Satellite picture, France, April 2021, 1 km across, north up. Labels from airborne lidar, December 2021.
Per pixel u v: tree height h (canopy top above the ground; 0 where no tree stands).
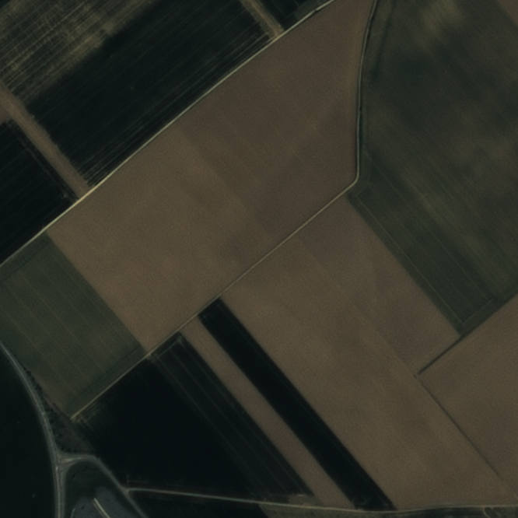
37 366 0
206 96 0
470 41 0
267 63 0
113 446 0
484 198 0
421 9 0
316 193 0
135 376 0
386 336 0
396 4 0
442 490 0
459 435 0
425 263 0
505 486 0
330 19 0
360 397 0
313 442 0
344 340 0
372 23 10
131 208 0
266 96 0
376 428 0
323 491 0
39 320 0
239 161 0
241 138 0
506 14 0
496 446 0
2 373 0
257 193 0
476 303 0
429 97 0
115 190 0
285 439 0
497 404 0
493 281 0
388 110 0
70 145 0
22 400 0
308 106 0
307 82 0
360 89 0
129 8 0
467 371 0
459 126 0
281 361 0
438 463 0
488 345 0
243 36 0
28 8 0
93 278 0
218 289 0
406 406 0
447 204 0
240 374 0
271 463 0
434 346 0
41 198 0
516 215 0
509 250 0
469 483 0
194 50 0
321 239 0
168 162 0
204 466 0
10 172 0
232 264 0
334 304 0
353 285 0
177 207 0
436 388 0
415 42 0
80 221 0
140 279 0
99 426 0
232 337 0
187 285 0
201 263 0
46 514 0
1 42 0
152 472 0
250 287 0
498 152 0
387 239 0
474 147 0
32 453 0
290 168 0
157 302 0
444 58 0
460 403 0
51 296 0
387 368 0
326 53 0
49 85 0
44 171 0
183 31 0
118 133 0
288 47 0
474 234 0
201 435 0
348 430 0
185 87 0
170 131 0
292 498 0
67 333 0
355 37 0
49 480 0
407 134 0
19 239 0
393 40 0
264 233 0
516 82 0
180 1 0
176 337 0
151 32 0
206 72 0
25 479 0
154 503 0
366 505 0
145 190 0
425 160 0
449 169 0
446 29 0
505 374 0
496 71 0
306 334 0
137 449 0
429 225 0
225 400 0
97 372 0
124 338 0
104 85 0
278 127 0
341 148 0
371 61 0
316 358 0
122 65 0
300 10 0
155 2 0
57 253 0
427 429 0
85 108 0
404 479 0
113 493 0
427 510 0
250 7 0
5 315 0
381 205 0
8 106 0
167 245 0
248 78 0
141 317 0
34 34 0
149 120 0
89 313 0
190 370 0
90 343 0
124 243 0
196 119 0
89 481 0
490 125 0
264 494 0
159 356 0
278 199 0
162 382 0
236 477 0
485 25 0
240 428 0
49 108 0
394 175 0
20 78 0
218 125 0
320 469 0
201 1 0
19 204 0
